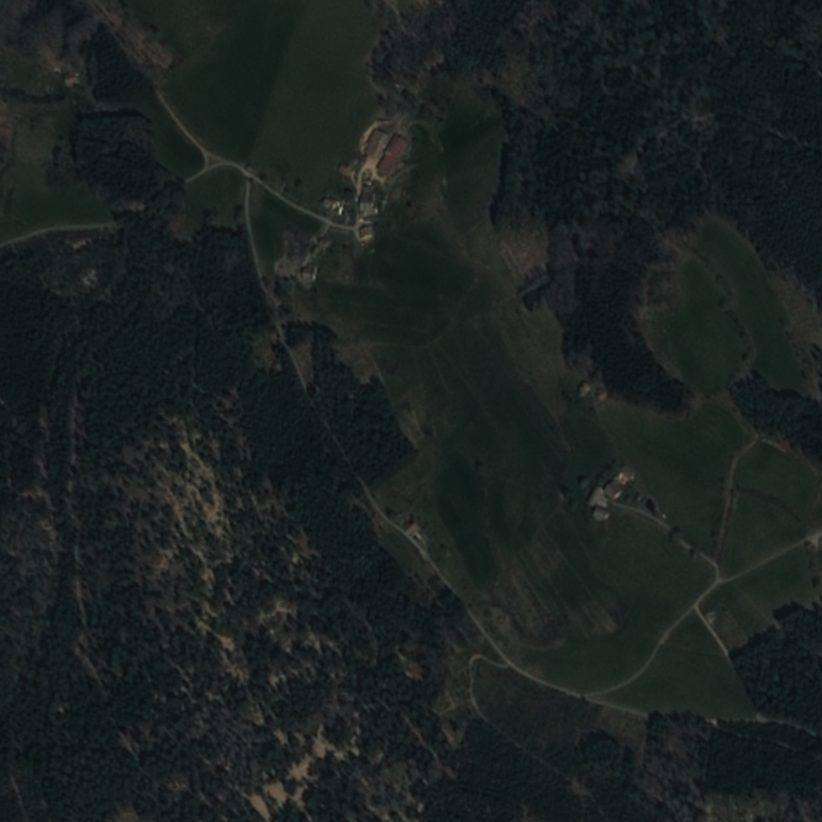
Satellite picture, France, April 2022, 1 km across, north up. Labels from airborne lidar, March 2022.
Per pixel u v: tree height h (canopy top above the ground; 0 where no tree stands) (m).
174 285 16
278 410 9
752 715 0
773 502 6
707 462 0
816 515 0
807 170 24
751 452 0
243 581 21
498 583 0
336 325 0
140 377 9
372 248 0
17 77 0
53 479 13
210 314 12
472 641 23
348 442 25
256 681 11
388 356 0
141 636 15
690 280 0
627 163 27
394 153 0
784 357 0
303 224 0
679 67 14
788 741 6
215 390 10
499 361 0
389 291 0
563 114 9
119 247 9
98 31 29
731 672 0
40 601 16
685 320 0
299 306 0
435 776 24
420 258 0
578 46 7
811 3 23
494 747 7
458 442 0
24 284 16
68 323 17
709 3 34
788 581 0
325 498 24
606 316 18
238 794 7
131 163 16
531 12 33
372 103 0
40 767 20
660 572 0
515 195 25
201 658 21
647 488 0
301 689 23
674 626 0
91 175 19
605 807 7
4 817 8
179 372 12
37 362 17
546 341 0
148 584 14
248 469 12
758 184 16
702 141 8
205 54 0
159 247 22
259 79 0
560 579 0
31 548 13
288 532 9
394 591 20
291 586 14
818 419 21
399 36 23
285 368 10
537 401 0
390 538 0
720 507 0
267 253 0
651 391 24
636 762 24
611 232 16
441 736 24
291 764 18
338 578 18
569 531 0
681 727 17
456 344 0
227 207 0
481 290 0
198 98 0
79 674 21
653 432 0
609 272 17
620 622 0
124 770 7
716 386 0
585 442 0
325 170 0
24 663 18
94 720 13
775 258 20
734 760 9
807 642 23
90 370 17
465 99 0
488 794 9
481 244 0
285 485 15
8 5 27
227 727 19
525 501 0
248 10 0
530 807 8
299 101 0
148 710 19
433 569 0
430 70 30
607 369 25
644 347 16
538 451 0
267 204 0
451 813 8
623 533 0
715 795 8
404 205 0
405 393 0
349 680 17
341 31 0
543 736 0
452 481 0
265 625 0
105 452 13
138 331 12
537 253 0
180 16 0
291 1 0
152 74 20
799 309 0
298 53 0
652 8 11
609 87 13
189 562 9
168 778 23
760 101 17
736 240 0
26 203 0
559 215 17
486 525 0
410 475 0
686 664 0
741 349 0
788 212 23
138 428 7
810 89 14
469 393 0
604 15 31
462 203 0
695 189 10
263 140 0
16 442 22
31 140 0
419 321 0
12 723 21
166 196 18
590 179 23
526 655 0
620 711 0
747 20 19
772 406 23
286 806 0
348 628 24
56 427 13
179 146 0
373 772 28
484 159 0
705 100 29
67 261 12
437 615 12
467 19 29
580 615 0
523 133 28
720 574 0
